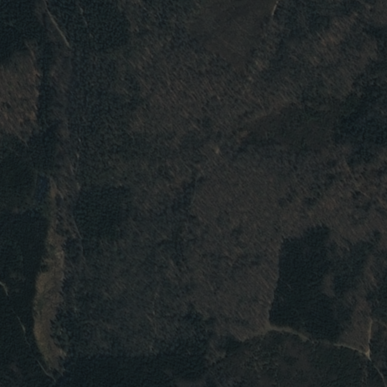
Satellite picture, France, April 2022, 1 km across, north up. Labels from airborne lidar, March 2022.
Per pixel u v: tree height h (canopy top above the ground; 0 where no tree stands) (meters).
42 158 32
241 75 8
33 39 29
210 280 26
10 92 27
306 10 22
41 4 29
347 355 12
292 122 7
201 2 22
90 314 21
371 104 23
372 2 24
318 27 17
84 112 25
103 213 21
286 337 8
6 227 24
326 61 26
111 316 22
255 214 20
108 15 22
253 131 7
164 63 28
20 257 20
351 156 24
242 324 24
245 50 12
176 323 29
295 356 8
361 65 18
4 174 20
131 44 20
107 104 27
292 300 22
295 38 14
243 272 25
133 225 23
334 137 9
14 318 25
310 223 20
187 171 29
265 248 22
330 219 18
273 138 6
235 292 24
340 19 21
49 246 11
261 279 24
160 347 26
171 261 27
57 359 0
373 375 10
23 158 19
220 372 10
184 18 26
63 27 16
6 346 24
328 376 9
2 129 24
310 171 24
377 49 19
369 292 19
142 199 24
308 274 28
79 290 22
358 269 22
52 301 0
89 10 28
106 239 22
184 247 22
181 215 26
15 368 19
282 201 20
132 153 24
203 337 27
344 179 24
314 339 15
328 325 26
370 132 27
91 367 16
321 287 22
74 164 25
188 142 26
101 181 25
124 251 21
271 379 9
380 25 17
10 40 25
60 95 32
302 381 9
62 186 34
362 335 21
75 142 24
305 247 21
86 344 25
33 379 21
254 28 11
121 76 28
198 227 20
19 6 33
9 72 23
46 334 0
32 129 35
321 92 23
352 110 11
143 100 23
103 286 22
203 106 24
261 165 24
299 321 19
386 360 14
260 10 12
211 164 25
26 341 19
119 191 17
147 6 30
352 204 19
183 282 23
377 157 25
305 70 25
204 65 30
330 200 21
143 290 26
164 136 25
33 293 23
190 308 26
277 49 8
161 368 19
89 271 22
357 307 21
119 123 26
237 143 15
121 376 16
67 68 26
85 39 24
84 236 22
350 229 21
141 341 21
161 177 27
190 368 12
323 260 22
